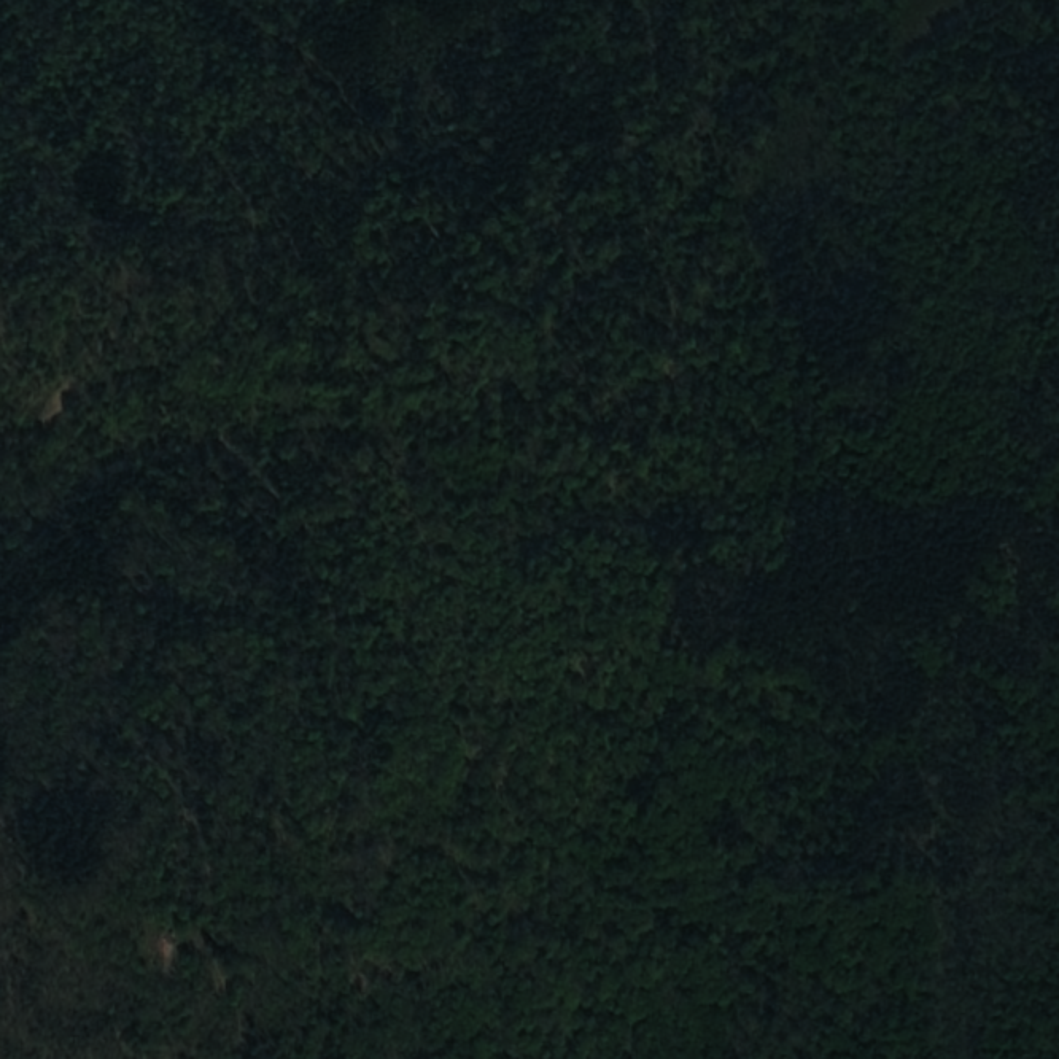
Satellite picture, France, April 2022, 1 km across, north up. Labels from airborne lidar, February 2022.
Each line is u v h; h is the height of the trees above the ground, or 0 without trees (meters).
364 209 30
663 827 31
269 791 30
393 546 30
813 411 30
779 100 33
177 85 28
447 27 20
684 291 29
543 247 32
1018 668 27
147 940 21
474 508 29
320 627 28
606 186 33
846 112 19
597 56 26
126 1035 22
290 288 27
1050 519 19
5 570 37
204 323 25
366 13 19
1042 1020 32
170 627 30
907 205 23
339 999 17
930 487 24
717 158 22
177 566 31
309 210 29
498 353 27
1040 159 21
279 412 21
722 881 29
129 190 23
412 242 32
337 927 34
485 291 26
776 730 34
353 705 31
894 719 33
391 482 33
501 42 24
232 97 26
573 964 32
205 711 30
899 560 32
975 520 31
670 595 31
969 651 26
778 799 32
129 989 17
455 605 31
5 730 17
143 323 24
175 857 24
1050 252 23
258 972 25
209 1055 10
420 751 33
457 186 42
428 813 13
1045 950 28
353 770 29
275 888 31
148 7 30
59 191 23
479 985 32
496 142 31
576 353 32
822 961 30
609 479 22
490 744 17
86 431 32
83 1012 20
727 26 30
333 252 31
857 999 20
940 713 25
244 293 26
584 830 28
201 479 30
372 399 25
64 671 26
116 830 17
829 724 26
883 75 18
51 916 18
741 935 29
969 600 28
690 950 26
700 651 22
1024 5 25
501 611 31
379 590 28
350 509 27
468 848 33
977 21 20
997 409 21
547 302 31
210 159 26
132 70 28
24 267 17
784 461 29
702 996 33
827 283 23
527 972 32
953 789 27
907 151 21
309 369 24
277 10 26
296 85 27
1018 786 27
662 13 27
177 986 20
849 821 27
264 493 23
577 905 35
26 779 18
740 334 33
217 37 28
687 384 29
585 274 24
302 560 26
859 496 27
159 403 30
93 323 21
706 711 27
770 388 27
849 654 30
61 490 30
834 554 29
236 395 26
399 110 19
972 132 24
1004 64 24
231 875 23
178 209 25
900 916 29
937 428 18
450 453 22
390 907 35
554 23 23
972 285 21
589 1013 34
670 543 26
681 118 28
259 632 32
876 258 23
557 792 28
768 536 30
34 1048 20
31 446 28
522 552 10
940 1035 25
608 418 18
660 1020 37
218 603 28
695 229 18
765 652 26
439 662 32
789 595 30
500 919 23
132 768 29
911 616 30
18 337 23
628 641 28
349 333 27
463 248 33
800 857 34
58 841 20
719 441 33
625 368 35
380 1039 26
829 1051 16
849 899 28
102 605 26
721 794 28
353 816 29
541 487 28
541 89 29
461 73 31
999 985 23
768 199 19
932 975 23
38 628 26
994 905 22
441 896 30
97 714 28
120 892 15
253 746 24
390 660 32
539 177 31
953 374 20
